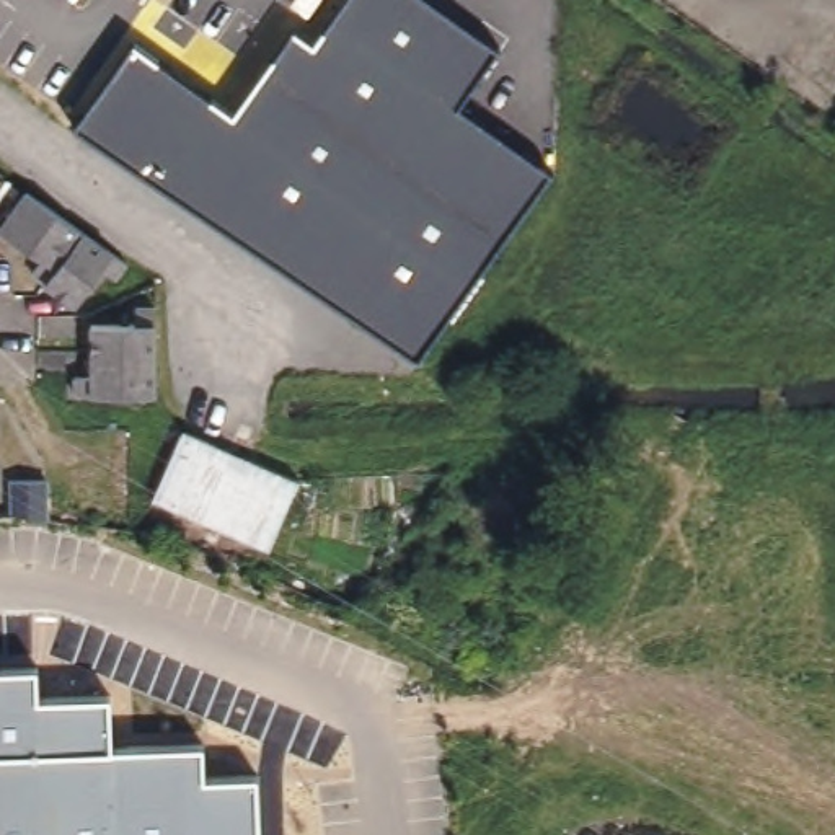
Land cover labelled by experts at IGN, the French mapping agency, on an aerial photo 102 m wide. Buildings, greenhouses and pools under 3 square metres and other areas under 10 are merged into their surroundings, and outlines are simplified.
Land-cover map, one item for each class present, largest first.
<instances>
[{"label":"herbaceous vegetation","instance_id":"1","mask_svg":"<svg viewBox=\"0 0 835 835\"><path fill-rule=\"evenodd\" d=\"M558 166H551L548 189L532 205L515 235L506 241V248L486 271L470 303L434 339L421 365H414L411 375H336L320 369H281L274 372L267 388L264 421L271 424L274 418H284L290 401L303 398L437 401L444 391L437 382V365L457 342H479L506 320L541 323L554 336L574 342L581 365L587 369L581 375L574 401L551 421H525L512 437L499 427V418L479 427L453 411L447 418L408 414L398 424V431L385 437L287 440L274 437L264 427L251 447L294 466L290 479L297 486V496L284 515L274 548L264 551L274 564L287 568L294 581H303V603L310 610H297L277 587H271L261 603L277 616H294L320 633L349 639L365 649H378L382 656L404 662L398 695H437L499 698L515 675H528L548 665H568L577 669L574 688L603 691L620 721L616 737L584 734L577 740L558 731L548 744L496 734L489 727L447 731L437 737V773L450 806L444 835H835V411L796 414L783 404L780 388L835 378V101L828 108H815L786 85V78L767 75L734 46L721 42L701 23L678 13L675 3L662 0H558ZM636 85H652L665 98L685 104L688 114L705 124V137H691L675 147L643 140L630 124L620 121L616 111L623 95ZM636 388H757L760 411H718L705 421H678L672 411L662 408L630 411L626 404ZM600 450H616L620 457L639 453L643 463H649L672 483L669 515L662 519L659 535L652 538L646 554H626L613 581V590L607 597L590 600L548 597L538 587L525 584L519 574L512 584V603L519 610V633L512 636L515 649H509L506 656L479 652L466 662L450 659L434 616L418 613L401 587L411 581L414 571H447L450 548L460 541L519 554L522 538L515 532V522L525 509V489L535 483L541 463L558 460L590 470V460L600 457ZM91 326L153 329V401L88 404L68 398L65 385L88 375ZM183 414V404L173 391L166 284H157L153 271H147L137 258H127L124 264L121 281H108L95 297H88L78 307L75 323V362L62 375H39L33 378V385L23 382L0 388V473L7 479L46 476L52 512L75 515L82 509H98L124 515L127 509L134 515H144L153 506L157 486L170 466L176 444L173 437H166V427ZM196 554L189 561V571L183 574L189 581L215 584V574L225 571V558L215 545L202 538L192 541Z\"/></svg>","mask_w":835,"mask_h":835},{"label":"impervious surface","instance_id":"2","mask_svg":"<svg viewBox=\"0 0 835 835\"><path fill-rule=\"evenodd\" d=\"M346 0H0V228L7 215L29 196L72 232L85 235L108 258L124 264L127 258H137L147 271H153L157 284H166L173 391L183 404V414L166 427V437H173L176 444L179 437H192L205 447H215L228 457H238L274 476L290 479L294 466L251 447L264 427V421L267 388L274 372L281 369H320L336 375H411L414 365L385 349L382 342H375L372 336H365L362 329H356L352 323H346L342 316H336L333 310H326L323 303H316L313 297H307L300 287L277 277L271 267L258 264L251 254L205 228L202 222H196L192 215H186L183 209H176L173 202H166L163 196H157L153 189L134 183L124 170H117L101 153L88 150L72 134V127L88 114L95 98L117 72V65L134 49L157 59V65L166 75L183 82L199 98L225 111H235L248 88L258 82V75L290 42V36L313 42L316 36H323V29L333 23ZM450 23L466 29L473 39L489 46L486 59H479V65L466 78L457 111L486 134H493L499 144L525 157L528 163L545 160L551 166H558V0H424ZM675 3L678 13L701 23L721 42L734 46L767 75L786 78V85L815 108H828L835 101V0H662ZM36 277L26 271L23 254L0 235V388L23 382L33 385V378L39 375H62L75 362V323L52 316L49 303H23ZM39 675V695L49 705L108 701L117 714L114 750L121 753L196 750L205 753V776L212 783H258L261 835H444L450 806L437 773V737L431 701L437 695H398L404 662L382 656L378 649H365L349 639L320 633L294 616H277L261 603L225 594L215 584L189 581L183 574L144 558L134 541H117L111 532L82 535L72 528H46L16 519H0V675Z\"/></svg>","mask_w":835,"mask_h":835},{"label":"building","instance_id":"3","mask_svg":"<svg viewBox=\"0 0 835 835\"><path fill-rule=\"evenodd\" d=\"M489 46L473 39L466 29L450 23L424 0H346L333 23L323 29V36H316L313 42L290 36V42L258 75V82L248 88L235 111H225L199 98L183 82L166 75L157 65V59L134 49L117 65V72L95 98L88 114L72 127V134L88 150L101 153L117 170H124L134 183L153 189L157 196H163L166 202H173L176 209H183L186 215H192L196 222H202L205 228L251 254L258 264L271 267L277 277L300 287L307 297H313L316 303H323L326 310H333L336 316H342L346 323H352L356 329H362L365 336H372L375 342H382L385 349L414 365H421L434 339L470 303L486 271L506 248V241L515 235L532 205L548 189L551 166L545 160L528 163L525 157L499 144L493 134H486L457 111L466 78L479 65V59H486ZM0 235L23 254L26 271L36 277L23 303H49L52 316L75 323L78 307L88 297H95L108 281H121L124 264L108 258L85 235L72 232L29 196L7 215L0 228ZM88 375L65 385L68 398L88 404L153 401V329L91 326ZM297 496V486L290 479L274 476L238 457H228L215 447H205L192 437H179L176 444L170 466L157 486L153 506L189 525H199L202 538L215 545L222 538H232L245 548L264 551L274 548L284 515ZM0 519H16L46 528L52 522V512L46 476L7 479L0 473ZM117 714L108 701L49 705L39 695V675H0V835H261L258 783H212L205 776V753L196 750L121 753L114 750Z\"/></svg>","mask_w":835,"mask_h":835},{"label":"deciduous trees","instance_id":"4","mask_svg":"<svg viewBox=\"0 0 835 835\"><path fill-rule=\"evenodd\" d=\"M587 369L581 365L574 342L554 336L541 323L506 320L479 342H457L437 365V382L444 391L437 401L450 404L453 411L479 427L499 418V427L512 437L525 421H551L574 401L581 375ZM672 483L649 463H643L639 453L620 457L616 450H600V457L590 460V470L558 460L541 463L535 483L525 489V509L515 522V532L522 538L519 554L460 541L450 548L447 571H414L411 581L401 587L418 613L434 616L450 659L466 662L479 652L506 656L509 649H515L512 636L519 633V610L512 603V584L519 574L525 584L538 587L548 597L590 600L607 597L613 590V581L626 554H646L652 538L659 535L662 519L669 515Z\"/></svg>","mask_w":835,"mask_h":835},{"label":"brushwood","instance_id":"5","mask_svg":"<svg viewBox=\"0 0 835 835\"><path fill-rule=\"evenodd\" d=\"M453 411L450 404L437 401L303 398L290 401L284 418H274L271 424L264 421V427L274 437L287 440L385 437L398 431V424L408 414L447 418ZM46 528H72L82 535L111 532L117 541H134L144 558L183 574L189 571V561L196 554L192 541L202 538L199 525H189L153 506L144 515H134L127 509L124 515L98 509H82L75 515L52 512V522ZM225 558V571L215 574V584L225 594L261 603L271 587H277L297 610H310L303 603V581H294L287 568L274 564L264 551L245 548L232 538H222L215 545Z\"/></svg>","mask_w":835,"mask_h":835},{"label":"pervious surface","instance_id":"6","mask_svg":"<svg viewBox=\"0 0 835 835\"><path fill-rule=\"evenodd\" d=\"M577 669L568 665H548L528 675H515L499 698L437 695L431 701L437 737L447 731L489 727L496 734L548 744L558 731L577 740L584 734L616 737L620 721L603 691L574 688Z\"/></svg>","mask_w":835,"mask_h":835},{"label":"water","instance_id":"7","mask_svg":"<svg viewBox=\"0 0 835 835\"><path fill-rule=\"evenodd\" d=\"M616 111L620 121L630 124L643 140L675 147L691 137H705V124L688 114L685 104L665 98L652 85H636L623 95ZM783 404L796 414L835 411V378L780 388ZM630 411L662 408L672 411L678 421H705L718 411H760L757 388H636L626 404Z\"/></svg>","mask_w":835,"mask_h":835}]
</instances>
